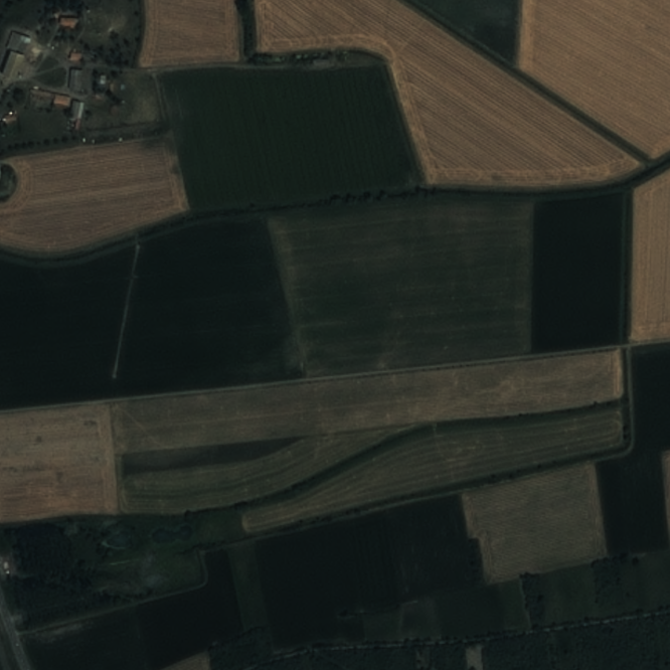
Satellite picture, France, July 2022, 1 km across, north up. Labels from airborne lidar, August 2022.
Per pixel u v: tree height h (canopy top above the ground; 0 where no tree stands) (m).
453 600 0
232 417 0
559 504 0
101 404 0
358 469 0
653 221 0
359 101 0
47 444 0
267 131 0
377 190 0
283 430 0
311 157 0
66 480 0
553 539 0
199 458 0
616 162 0
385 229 0
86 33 0
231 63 0
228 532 0
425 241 0
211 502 0
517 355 0
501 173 0
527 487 0
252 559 0
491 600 0
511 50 0
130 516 0
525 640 6
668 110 0
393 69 0
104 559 5
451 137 0
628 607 0
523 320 0
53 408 0
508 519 0
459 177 0
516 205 0
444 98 0
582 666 7
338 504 0
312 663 6
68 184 0
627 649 6
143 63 0
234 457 0
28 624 24
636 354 0
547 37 0
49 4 14
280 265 0
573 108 0
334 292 0
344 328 0
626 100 0
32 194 0
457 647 6
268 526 0
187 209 0
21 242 0
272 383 0
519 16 0
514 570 0
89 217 0
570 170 0
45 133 0
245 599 0
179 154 0
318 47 0
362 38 0
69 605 25
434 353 0
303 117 0
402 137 0
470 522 0
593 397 0
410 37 0
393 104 0
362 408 0
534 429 0
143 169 0
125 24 0
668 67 0
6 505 0
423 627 0
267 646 6
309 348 0
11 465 0
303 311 0
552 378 0
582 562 0
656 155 0
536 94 0
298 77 0
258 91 0
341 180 0
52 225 0
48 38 0
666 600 0
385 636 0
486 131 0
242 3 17
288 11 0
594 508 0
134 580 0
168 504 0
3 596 0
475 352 0
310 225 0
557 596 0
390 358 0
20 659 0
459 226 0
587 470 0
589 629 7
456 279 0
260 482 0
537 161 0
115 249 0
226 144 0
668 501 0
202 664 0
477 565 7
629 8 0
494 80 0
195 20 0
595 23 0
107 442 0
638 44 0
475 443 0
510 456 0
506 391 0
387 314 0
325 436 0
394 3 0
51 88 0
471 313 0
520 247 0
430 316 0
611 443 0
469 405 0
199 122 0
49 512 0
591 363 0
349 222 0
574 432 0
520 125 0
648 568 0
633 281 0
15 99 10
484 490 0
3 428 0
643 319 0
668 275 0
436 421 0
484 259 0
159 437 0
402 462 0
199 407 0
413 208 0
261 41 0
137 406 0
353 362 0
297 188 0
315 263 0
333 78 0
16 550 12
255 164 0
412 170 0
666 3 0
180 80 0
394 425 0
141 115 0
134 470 0
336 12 0
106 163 0
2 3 10
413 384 0
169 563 0
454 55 0
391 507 0
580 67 0
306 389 0
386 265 0
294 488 10
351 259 0
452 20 0
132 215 0
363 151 0
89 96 0
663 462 0
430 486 0
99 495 0
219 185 0
